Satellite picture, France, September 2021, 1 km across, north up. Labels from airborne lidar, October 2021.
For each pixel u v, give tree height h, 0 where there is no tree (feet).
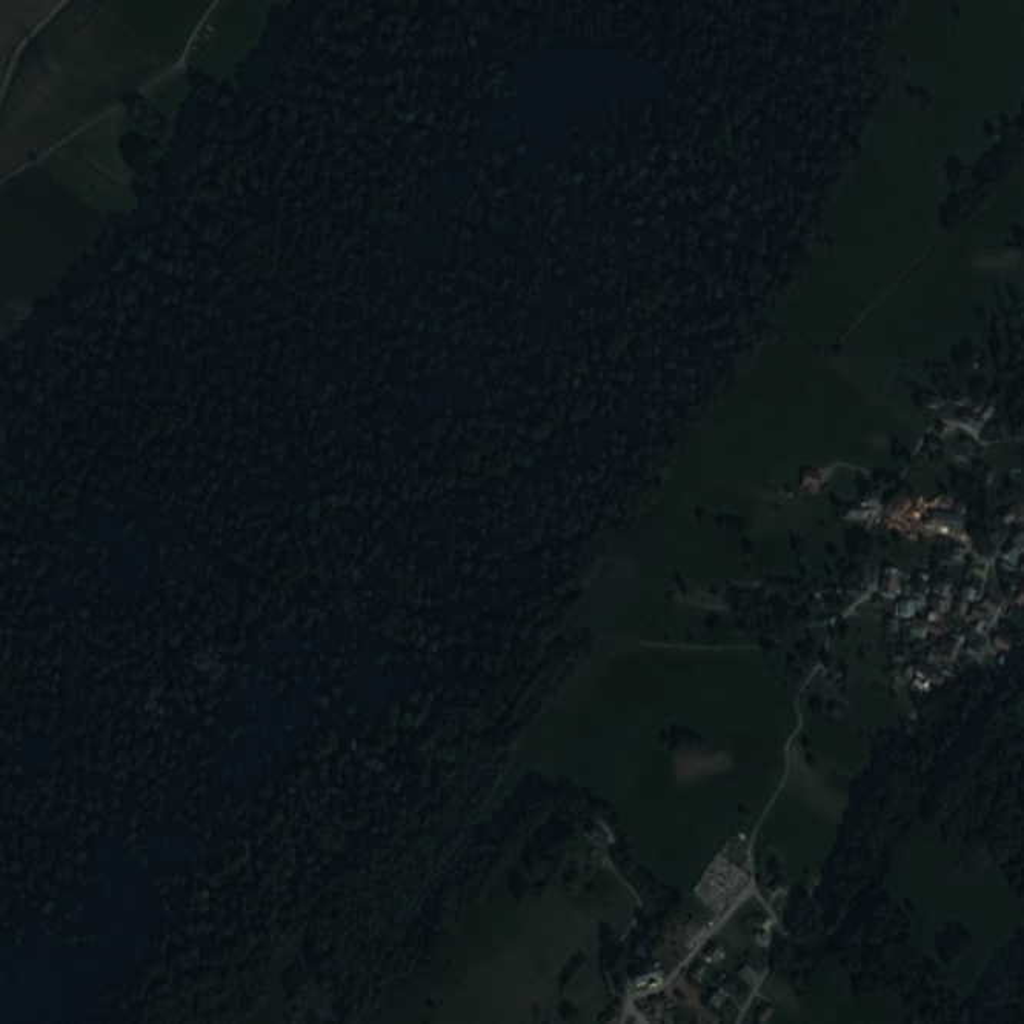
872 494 63
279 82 85
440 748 48
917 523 0
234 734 102
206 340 90
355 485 77
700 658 0
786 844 0
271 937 67
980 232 0
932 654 0
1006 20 0
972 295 0
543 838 0
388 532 76
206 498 88
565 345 92
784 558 0
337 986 59
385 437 87
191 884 100
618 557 0
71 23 112
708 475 0
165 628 99
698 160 84
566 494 72
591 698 0
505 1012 0
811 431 0
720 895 0
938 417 0
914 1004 57
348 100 102
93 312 94
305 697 92
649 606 0
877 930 111
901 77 0
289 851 67
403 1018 0
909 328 0
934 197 0
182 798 59
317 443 102
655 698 0
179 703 87
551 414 76
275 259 68
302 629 119
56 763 87
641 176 127
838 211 0
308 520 117
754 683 0
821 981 0
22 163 0
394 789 88
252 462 91
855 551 53
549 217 97
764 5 60
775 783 0
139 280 105
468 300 105
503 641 107
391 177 87
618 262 68
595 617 0
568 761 0
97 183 0
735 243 56
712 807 0
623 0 96
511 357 111
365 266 97
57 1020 75
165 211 38
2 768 102
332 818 82
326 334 90
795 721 0
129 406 88
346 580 86
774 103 90
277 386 90
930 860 0
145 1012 90
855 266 0
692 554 0
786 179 65
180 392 102
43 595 87
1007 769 81
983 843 67
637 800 0
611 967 47
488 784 46
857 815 59
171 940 112
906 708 0
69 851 117
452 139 86
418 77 78
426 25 100
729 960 0
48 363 105
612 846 0
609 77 93
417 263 65
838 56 90
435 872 79
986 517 64
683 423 79
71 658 92
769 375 0
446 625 109
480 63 94
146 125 50
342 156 105
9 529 105
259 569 90
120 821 95
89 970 105
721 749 0
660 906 49
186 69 0
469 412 127
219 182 112
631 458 94
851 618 0
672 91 65
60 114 0
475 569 88
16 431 106
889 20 71
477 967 0
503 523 94
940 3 0
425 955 72
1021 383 57
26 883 103
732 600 18
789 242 53
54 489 103
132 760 105
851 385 0
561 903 0
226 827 55
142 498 65
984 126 0
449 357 107
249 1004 52
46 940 102
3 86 0
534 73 111
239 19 0
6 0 0
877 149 0
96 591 91
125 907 99
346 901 72
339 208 97
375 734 126
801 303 0
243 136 114
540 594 75
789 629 64
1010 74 0
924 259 0
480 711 63
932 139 0
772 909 0
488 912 0
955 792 93
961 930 0
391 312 79
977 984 0
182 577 80
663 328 62
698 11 97
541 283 98
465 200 93
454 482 111
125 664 94
